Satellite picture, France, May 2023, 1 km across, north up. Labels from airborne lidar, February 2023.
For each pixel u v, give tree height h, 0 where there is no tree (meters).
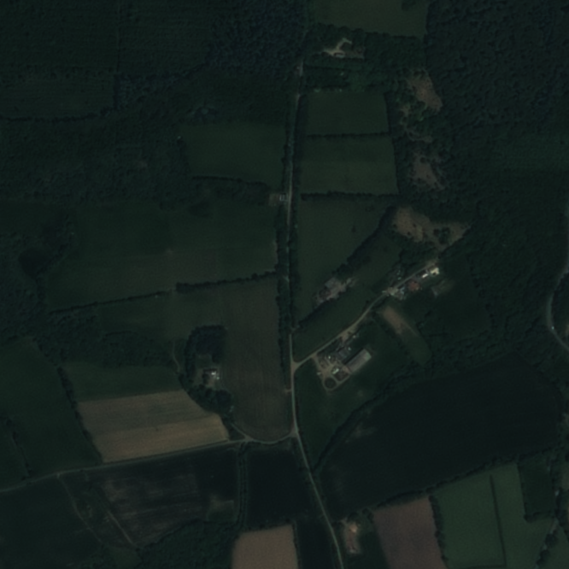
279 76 22
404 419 0
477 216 11
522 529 0
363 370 0
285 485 0
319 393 0
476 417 0
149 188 7
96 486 0
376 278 0
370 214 0
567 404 14
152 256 0
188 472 0
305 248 0
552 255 16
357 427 0
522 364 0
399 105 12
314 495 7
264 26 26
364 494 0
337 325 0
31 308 13
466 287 0
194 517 0
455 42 27
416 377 12
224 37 6
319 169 0
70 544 0
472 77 25
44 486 0
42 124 15
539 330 20
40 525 0
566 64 14
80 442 0
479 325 0
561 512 12
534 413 0
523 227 14
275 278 13
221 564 12
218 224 0
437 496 0
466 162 15
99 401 0
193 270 0
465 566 0
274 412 0
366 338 0
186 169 13
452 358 19
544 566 12
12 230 0
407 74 11
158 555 9
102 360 10
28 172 8
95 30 7
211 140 0
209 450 0
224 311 0
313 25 13
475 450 0
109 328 0
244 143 0
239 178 0
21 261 0
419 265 6
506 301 14
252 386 0
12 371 0
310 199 13
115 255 0
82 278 0
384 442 0
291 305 7
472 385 0
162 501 0
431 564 0
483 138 20
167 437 0
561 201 20
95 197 7
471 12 16
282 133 0
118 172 12
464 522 0
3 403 0
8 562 0
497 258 11
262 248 0
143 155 7
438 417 0
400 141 10
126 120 9
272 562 0
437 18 21
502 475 0
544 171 16
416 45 14
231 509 0
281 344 14
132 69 8
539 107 26
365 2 0
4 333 14
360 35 12
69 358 12
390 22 0
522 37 26
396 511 0
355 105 0
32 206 0
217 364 13
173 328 0
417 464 0
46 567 0
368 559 0
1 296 14
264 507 0
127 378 0
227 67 22
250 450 12
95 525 0
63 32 8
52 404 0
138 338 9
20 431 0
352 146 0
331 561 0
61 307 0
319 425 0
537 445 0
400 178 9
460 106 22
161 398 0
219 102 13
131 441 0
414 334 0
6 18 7
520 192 14
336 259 0
